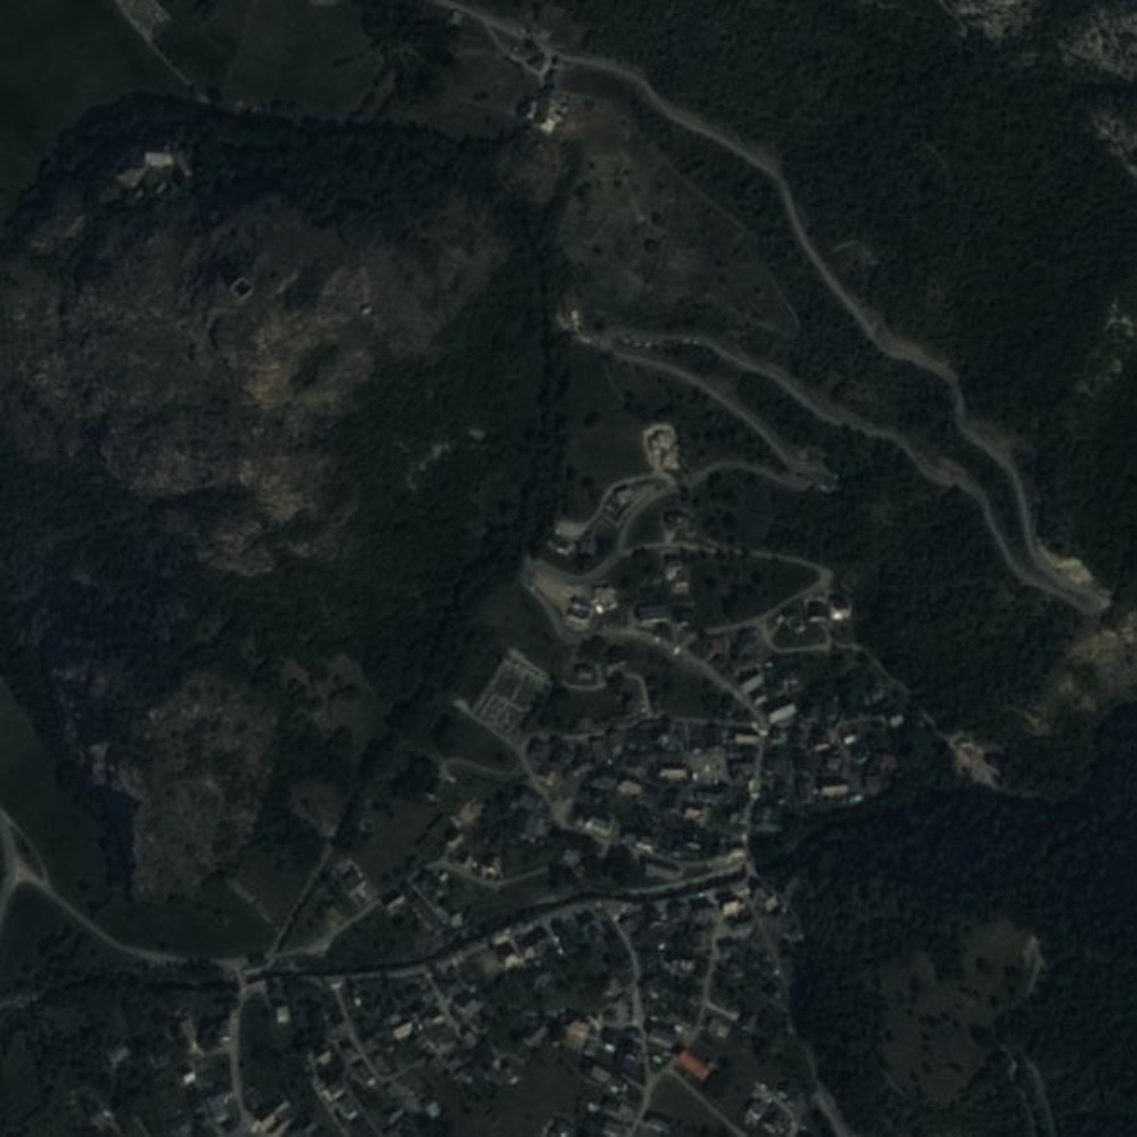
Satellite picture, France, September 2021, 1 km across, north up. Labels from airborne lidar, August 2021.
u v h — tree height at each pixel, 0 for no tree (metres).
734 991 11
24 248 7
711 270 0
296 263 0
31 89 0
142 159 0
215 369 0
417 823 0
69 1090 0
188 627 9
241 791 6
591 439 0
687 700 0
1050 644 9
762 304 0
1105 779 19
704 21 6
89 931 0
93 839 0
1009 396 11
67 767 13
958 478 0
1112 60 7
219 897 0
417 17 9
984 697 11
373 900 0
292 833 18
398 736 16
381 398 12
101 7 0
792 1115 0
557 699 13
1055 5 11
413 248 10
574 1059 0
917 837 17
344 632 8
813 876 7
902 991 0
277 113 8
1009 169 10
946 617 10
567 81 0
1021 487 0
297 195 15
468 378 8
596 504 8
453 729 13
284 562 9
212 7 11
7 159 0
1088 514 16
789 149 11
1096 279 14
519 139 6
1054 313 14
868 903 10
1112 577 14
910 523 11
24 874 0
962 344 13
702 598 0
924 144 6
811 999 23
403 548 12
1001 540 0
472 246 7
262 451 0
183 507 6
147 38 0
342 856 12
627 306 0
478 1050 11
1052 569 0
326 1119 0
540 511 20
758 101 9
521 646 0
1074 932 10
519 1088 0
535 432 11
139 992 14
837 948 9
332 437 5
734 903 0
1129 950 19
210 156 22
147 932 0
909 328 8
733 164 11
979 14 6
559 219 9
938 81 8
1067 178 8
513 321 10
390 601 8
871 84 13
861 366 6
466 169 14
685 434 7
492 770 0
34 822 0
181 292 0
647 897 7
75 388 7
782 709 0
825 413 0
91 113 0
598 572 0
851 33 12
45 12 0
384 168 23
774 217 20
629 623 0
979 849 12
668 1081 0
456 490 11
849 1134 0
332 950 0
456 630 19
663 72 7
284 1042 0
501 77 0
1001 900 12
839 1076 12
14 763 0
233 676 8
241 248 0
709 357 7
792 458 0
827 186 12
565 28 0
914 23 9
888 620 18
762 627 0
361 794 15
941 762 13
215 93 0
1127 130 6
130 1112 12
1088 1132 9
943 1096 0
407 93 16
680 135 7
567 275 16
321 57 0
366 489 9
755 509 0
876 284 8
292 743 11
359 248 0
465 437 9
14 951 0
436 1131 14
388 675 24
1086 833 17
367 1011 7
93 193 9
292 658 10
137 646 9
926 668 18
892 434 0
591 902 0
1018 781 16
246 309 0
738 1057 0
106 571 13
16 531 7
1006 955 0
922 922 5
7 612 10
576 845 12
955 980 9
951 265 9
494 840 6
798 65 10
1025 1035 10
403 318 0
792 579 0
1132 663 9
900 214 9
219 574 6
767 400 6
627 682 8
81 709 7
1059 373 10
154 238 0
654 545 0
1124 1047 12
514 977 8
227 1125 7
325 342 0
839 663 10
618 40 6
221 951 0
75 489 8
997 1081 14
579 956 8
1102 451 17
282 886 0
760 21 7
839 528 15
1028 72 10
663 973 9
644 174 0
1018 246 11
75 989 13
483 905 0
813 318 8
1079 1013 11
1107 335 9
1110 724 10
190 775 7
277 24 0
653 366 0
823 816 13
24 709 7
